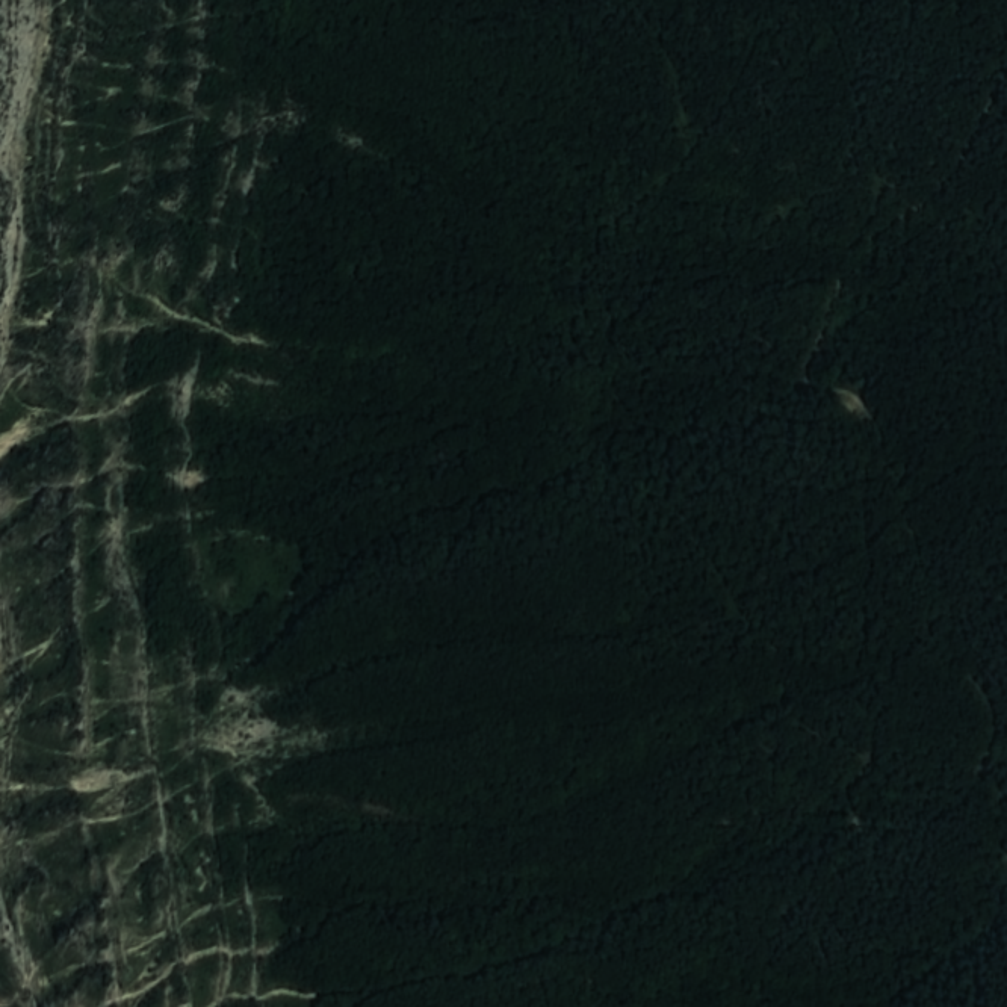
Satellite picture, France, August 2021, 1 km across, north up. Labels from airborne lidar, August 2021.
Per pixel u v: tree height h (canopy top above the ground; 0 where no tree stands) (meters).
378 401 17
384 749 19
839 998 27
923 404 18
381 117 14
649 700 17
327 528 20
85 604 0
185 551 13
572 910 29
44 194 30
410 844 19
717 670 20
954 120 24
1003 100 28
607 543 22
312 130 12
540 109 26
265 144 13
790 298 25
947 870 27
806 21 16
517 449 33
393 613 20
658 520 16
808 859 32
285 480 14
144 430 16
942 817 15
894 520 15
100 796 0
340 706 14
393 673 21
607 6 25
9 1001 0
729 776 16
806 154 13
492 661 24
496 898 19
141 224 7
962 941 28
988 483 22
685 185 11
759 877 23
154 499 12
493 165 16
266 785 11
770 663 16
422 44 29
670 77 15
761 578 26
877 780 25
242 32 18
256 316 19
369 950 19
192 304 8
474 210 22
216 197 8
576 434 25
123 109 8
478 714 16
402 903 14
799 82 20
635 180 12
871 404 18
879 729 18
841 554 15
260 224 18
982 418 19
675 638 17
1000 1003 26
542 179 17
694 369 21
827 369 26
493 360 28
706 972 19
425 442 19
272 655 20
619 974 24
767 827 26
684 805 19
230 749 0
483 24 26
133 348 11
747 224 24
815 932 25
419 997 26
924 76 25
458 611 21
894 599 21
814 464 22
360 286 23
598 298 28
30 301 9
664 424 30
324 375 14
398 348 22
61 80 7
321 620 26
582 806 22
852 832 19
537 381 22
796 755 21
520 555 26
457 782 16
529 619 12
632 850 22
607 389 24
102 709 0
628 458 31
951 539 21
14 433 6
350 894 22
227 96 7
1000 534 25
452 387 26
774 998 22
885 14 23
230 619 11
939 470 21
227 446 22
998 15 23
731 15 21
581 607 21
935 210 20
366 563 28
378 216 28
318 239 15
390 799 21
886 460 9
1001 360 17
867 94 23
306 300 22
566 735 20
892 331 27
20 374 6
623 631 15
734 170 8
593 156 24
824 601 24
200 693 9
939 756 20
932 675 25
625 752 24
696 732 27
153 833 0
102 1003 0
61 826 0
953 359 10
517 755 16
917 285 13
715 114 17
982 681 16
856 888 25
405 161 14
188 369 17
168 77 7
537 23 23
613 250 22
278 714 8
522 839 17
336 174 23
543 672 19
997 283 29
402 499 28
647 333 23
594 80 22
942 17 22
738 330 28
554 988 22
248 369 8
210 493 14
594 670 20
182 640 9
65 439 10
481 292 31
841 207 21
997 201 23
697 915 12
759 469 22
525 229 25
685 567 21
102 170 0
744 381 27
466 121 24
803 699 22
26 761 6
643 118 24
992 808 20
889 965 27
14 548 0
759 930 23
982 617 28
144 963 0
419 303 26
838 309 16
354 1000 21
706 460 15
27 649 0
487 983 23
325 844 22
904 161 14
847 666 18
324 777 12
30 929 0
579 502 15
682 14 21
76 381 6
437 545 29
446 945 19
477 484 30
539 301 24
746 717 13
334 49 23
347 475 17
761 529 13
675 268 23
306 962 15
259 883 7
